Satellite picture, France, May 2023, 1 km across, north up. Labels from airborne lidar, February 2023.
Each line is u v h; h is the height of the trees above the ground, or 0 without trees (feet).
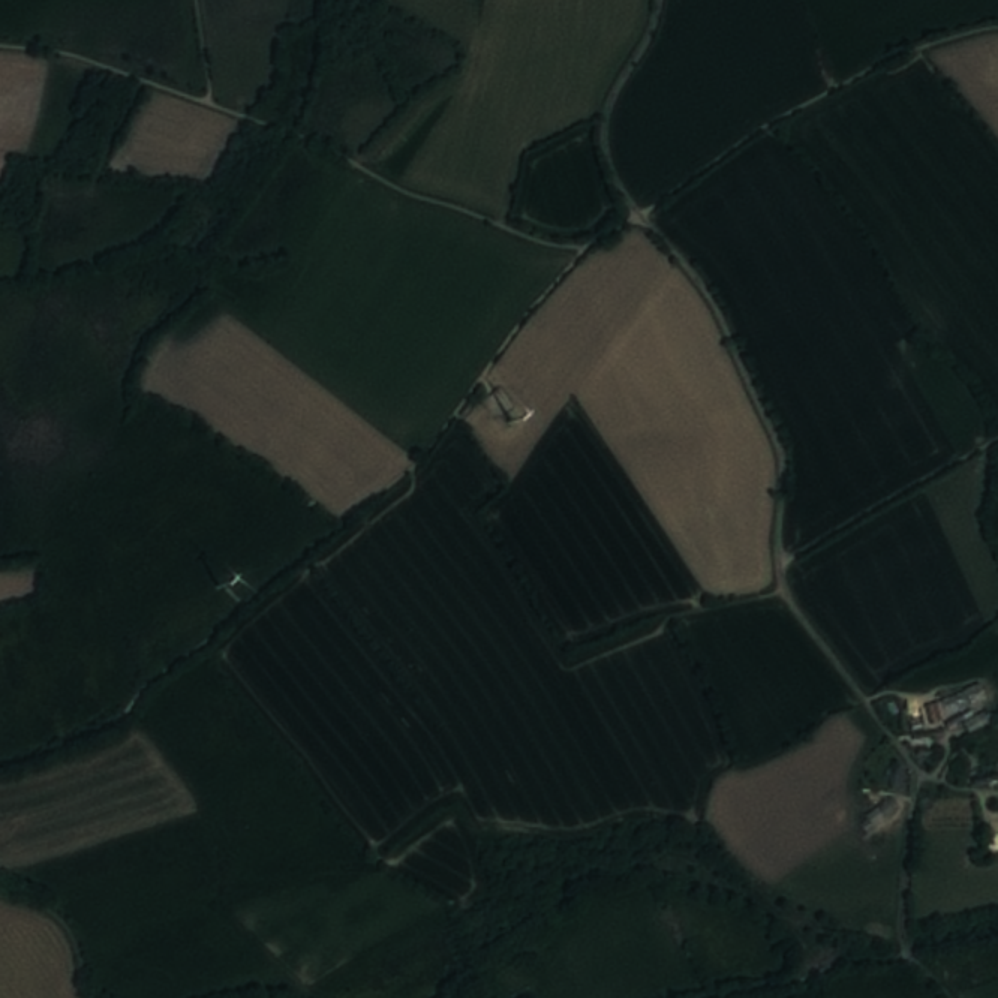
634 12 0
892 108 0
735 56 0
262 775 0
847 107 0
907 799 0
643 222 0
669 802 0
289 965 0
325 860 0
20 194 32
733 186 0
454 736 0
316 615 0
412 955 0
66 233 0
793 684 0
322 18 47
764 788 0
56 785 0
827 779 0
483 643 0
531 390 0
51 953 0
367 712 0
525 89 0
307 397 0
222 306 0
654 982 0
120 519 0
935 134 0
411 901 0
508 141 0
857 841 0
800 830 0
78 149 36
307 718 0
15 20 0
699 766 0
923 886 0
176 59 0
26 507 0
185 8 0
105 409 0
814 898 0
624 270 0
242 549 0
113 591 0
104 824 0
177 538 0
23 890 51
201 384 0
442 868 0
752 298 0
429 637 0
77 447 0
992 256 0
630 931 0
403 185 0
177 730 0
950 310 0
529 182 0
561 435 0
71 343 0
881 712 20
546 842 24
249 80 0
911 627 0
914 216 0
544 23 0
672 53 0
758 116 0
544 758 0
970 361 0
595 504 0
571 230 0
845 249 0
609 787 0
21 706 0
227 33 0
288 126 0
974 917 39
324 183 0
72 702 0
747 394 0
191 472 0
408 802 0
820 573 0
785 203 0
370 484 0
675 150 0
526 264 0
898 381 0
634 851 22
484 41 0
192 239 21
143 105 32
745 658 0
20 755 0
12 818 0
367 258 0
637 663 0
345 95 0
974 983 0
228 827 0
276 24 0
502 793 0
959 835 0
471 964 51
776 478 0
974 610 0
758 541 0
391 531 0
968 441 0
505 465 0
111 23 0
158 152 0
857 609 0
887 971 30
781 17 0
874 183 0
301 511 0
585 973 0
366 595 0
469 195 0
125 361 0
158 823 0
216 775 0
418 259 0
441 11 0
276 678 0
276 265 24
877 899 0
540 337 0
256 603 26
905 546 0
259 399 0
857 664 0
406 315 0
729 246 0
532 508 0
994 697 0
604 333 0
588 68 0
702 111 0
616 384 0
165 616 0
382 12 19
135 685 0
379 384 0
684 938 30
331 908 0
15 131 0
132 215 0
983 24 18
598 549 0
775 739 0
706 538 0
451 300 0
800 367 0
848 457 0
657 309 0
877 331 0
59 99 0
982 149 0
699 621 0
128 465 0
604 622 0
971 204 0
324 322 0
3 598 0
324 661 0
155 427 0
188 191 48
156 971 0
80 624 0
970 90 0
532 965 23
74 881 0
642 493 0
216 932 0
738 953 0
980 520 39
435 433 0
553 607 0
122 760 0
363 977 0
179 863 0
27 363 0
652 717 0
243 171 49
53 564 0
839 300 0
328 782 0
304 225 0
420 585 0
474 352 0
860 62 0
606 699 0
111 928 0
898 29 0
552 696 0
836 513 0
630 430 0
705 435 0
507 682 0
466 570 0
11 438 0
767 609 0
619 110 0
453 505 0
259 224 0
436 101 0
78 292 0
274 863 0
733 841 0
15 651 0
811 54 0
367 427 0
